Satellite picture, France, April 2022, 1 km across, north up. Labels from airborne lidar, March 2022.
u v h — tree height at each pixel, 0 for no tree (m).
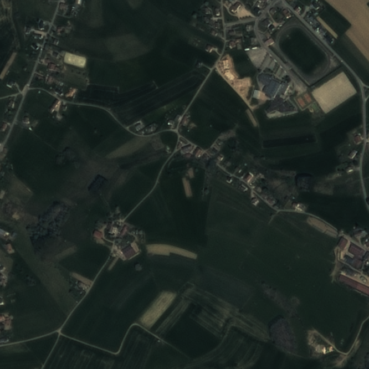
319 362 0
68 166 0
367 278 0
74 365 0
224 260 0
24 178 0
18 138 0
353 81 0
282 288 0
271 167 0
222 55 0
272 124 0
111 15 0
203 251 0
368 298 0
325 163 0
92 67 0
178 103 0
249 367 0
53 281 0
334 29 0
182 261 0
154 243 0
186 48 0
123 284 0
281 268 0
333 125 0
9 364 0
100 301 0
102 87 0
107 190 0
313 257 0
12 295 0
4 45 0
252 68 0
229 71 0
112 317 0
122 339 0
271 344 0
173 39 0
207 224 0
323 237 0
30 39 0
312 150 0
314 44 0
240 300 0
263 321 0
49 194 0
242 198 0
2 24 0
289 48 0
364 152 0
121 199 0
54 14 0
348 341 0
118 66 0
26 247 0
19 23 0
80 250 0
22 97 0
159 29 0
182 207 0
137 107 0
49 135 0
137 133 0
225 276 0
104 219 0
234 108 0
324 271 0
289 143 0
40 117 0
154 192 0
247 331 0
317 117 0
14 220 0
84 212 0
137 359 0
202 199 0
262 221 0
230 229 0
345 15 0
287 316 0
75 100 0
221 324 0
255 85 0
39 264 0
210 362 0
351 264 0
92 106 0
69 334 0
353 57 0
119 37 0
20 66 0
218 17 0
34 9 0
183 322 0
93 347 0
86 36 0
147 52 0
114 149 0
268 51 0
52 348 0
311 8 0
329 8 0
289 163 0
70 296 0
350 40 0
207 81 0
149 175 0
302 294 0
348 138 0
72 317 0
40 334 0
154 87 0
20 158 0
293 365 0
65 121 0
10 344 0
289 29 0
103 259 0
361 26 0
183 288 0
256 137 0
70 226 0
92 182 0
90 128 0
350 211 0
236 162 0
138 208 0
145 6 0
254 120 0
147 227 0
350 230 0
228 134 0
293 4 0
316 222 0
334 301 0
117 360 0
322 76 0
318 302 0
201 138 0
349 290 0
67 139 0
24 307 0
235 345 0
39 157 0
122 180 0
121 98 0
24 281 0
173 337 0
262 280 0
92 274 0
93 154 0
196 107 0
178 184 0
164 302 0
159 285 0
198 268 0
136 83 0
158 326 0
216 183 0
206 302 0
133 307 0
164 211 0
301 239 0
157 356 0
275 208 13
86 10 0
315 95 0
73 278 0
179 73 0
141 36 0
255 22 0
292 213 0
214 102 0
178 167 0
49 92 0
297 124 0
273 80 0
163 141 0
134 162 0
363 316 0
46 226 22
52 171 0
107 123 0
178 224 0
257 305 0
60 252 0
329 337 0
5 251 0
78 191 0
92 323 0
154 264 0
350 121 0
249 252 0
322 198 0
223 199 0
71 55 0
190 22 0
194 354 0
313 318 0
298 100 0
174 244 0
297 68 0
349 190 0
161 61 0
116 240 12
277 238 0
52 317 0
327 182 0
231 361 0
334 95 0
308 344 0
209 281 0
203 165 0
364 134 0
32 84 7
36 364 0
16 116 0
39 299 0
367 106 0
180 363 0
